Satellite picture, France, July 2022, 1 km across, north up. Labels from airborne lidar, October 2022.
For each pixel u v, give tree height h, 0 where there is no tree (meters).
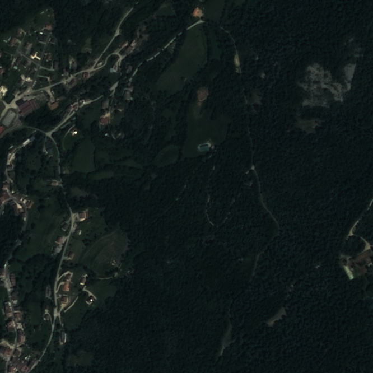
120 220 16
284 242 16
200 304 7
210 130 0
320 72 0
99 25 9
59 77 0
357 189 16
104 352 10
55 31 14
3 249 30
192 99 17
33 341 0
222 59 14
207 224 6
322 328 15
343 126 25
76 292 0
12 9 14
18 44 0
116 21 17
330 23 19
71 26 8
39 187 0
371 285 17
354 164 12
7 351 0
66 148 0
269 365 14
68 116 0
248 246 11
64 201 14
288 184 9
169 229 11
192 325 12
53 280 11
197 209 8
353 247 11
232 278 7
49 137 8
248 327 29
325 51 12
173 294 6
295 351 15
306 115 16
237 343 11
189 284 12
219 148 10
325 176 12
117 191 20
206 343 12
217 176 8
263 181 7
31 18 0
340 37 19
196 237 9
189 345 8
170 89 0
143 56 15
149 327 20
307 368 14
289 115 10
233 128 8
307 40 7
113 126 11
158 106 7
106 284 0
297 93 15
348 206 8
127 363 7
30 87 0
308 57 18
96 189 20
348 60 8
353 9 18
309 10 15
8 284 0
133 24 17
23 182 0
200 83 17
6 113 0
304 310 7
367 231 9
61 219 0
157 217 10
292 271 15
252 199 11
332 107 14
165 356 6
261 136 14
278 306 15
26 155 19
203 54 0
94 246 0
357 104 10
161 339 7
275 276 18
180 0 21
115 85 0
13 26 18
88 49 0
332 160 16
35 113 13
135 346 7
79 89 13
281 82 25
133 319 9
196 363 10
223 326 8
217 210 12
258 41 9
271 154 12
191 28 0
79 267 10
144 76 10
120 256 0
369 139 8
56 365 9
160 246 9
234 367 12
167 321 8
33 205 0
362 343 20
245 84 20
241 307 19
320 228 20
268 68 12
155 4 16
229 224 14
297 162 9
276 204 9
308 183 7
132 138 12
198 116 0
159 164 0
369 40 8
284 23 17
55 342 11
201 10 0
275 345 21
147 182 16
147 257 13
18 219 21
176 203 10
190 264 8
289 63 16
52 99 0
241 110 16
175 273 7
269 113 21
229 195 13
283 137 23
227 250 17
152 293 12
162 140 11
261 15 16
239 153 19
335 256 17
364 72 13
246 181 16
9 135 12
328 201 27
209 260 13
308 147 22
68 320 0
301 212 8
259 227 26
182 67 0
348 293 24
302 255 14
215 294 10
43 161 12
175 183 12
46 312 0
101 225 0
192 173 8
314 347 22
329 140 21
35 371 6
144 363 15
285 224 15
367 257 0
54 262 16
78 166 0
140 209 7
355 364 18
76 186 24
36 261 18
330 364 18
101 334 7
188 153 0
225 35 11
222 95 13
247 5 14
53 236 0
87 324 8
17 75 0
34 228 14
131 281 16
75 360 0
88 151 0
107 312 8
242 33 18
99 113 0
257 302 24
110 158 0
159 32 15
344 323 17
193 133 0
